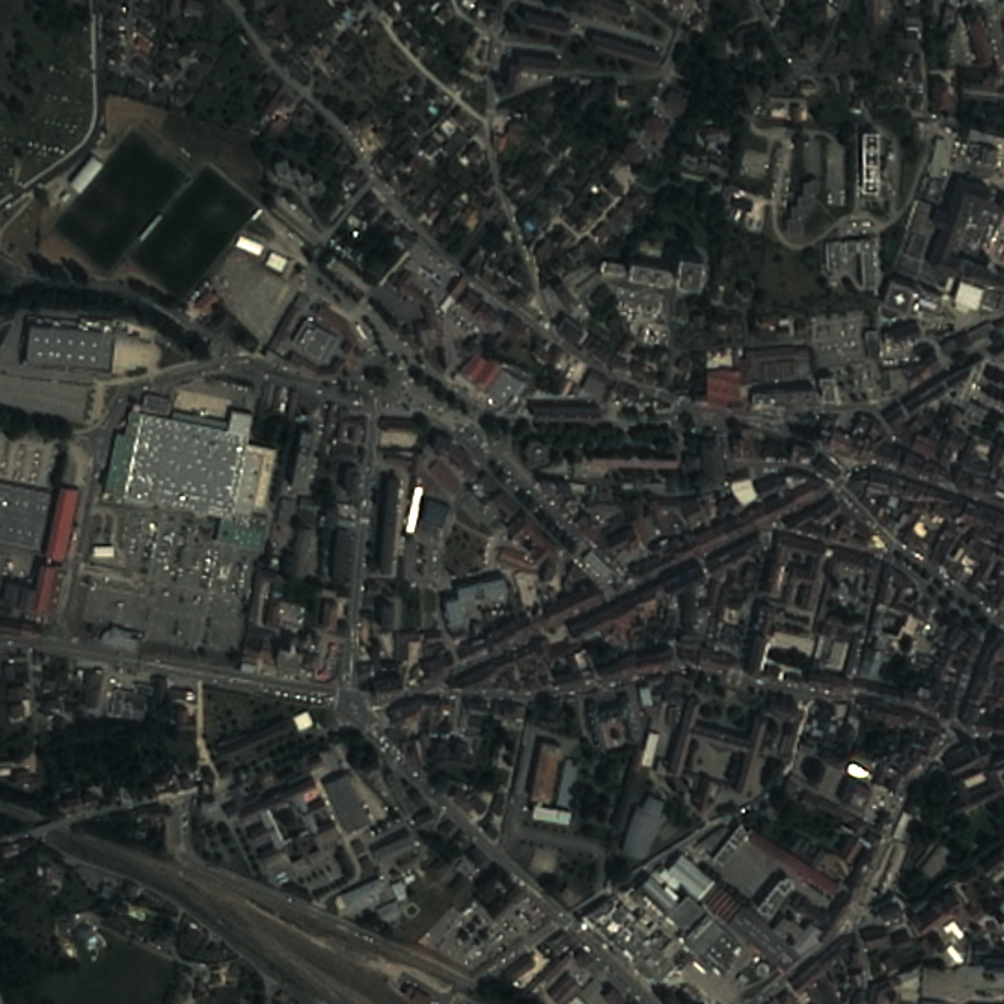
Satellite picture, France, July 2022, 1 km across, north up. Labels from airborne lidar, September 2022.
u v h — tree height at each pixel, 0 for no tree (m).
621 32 0
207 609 0
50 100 0
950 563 0
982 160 0
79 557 0
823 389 0
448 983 0
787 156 0
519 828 0
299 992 0
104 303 18
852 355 0
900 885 6
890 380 0
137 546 0
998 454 0
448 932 0
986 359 0
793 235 0
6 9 0
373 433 0
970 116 13
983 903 6
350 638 0
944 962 9
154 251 0
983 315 0
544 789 0
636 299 0
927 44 13
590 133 12
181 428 0
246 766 8
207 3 6
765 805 12
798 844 0
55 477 9
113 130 0
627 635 0
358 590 0
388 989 0
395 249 8
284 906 0
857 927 0
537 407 0
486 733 8
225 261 0
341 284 9
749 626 8
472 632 8
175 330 19
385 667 7
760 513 0
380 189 0
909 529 0
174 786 10
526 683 0
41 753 15
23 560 0
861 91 7
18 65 10
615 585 6
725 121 14
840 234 0
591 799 21
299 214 0
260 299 0
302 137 17
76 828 11
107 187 0
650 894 0
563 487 0
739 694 0
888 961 0
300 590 0
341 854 8
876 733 8
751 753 0
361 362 0
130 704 0
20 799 13
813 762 18
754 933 0
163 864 0
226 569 0
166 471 0
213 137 0
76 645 0
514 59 0
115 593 0
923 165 0
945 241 0
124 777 14
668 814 16
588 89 6
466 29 7
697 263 0
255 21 8
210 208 0
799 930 0
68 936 0
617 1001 0
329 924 0
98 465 0
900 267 0
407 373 0
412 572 0
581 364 0
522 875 0
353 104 8
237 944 0
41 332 0
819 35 6
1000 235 0
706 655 0
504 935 0
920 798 21
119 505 0
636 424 0
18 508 0
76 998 0
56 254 0
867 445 0
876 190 0
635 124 9
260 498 0
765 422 0
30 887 7
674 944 0
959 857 23
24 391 0
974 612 9
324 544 10
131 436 0
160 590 0
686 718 0
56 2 18
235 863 0
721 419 0
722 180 5
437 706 0
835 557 0
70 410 0
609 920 0
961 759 0
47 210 0
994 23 0
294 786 0
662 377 9
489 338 7
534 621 0
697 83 9
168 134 0
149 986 0
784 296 0
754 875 0
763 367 0
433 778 10
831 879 0
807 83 0
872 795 0
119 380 0
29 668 0
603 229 0
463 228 8
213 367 0
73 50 0
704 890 0
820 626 0
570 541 13
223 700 0
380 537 0
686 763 9
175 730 18
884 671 12
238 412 0
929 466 0
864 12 0
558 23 0
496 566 0
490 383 0
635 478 12
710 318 8
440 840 13
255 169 0
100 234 0
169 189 0
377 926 9
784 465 0
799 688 0
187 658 0
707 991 0
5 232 0
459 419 0
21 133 0
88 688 0
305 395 0
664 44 0
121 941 0
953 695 0
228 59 0
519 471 0
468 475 0
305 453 0
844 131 15
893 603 0
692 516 0
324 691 0
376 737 0
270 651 0
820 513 0
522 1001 17
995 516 0
